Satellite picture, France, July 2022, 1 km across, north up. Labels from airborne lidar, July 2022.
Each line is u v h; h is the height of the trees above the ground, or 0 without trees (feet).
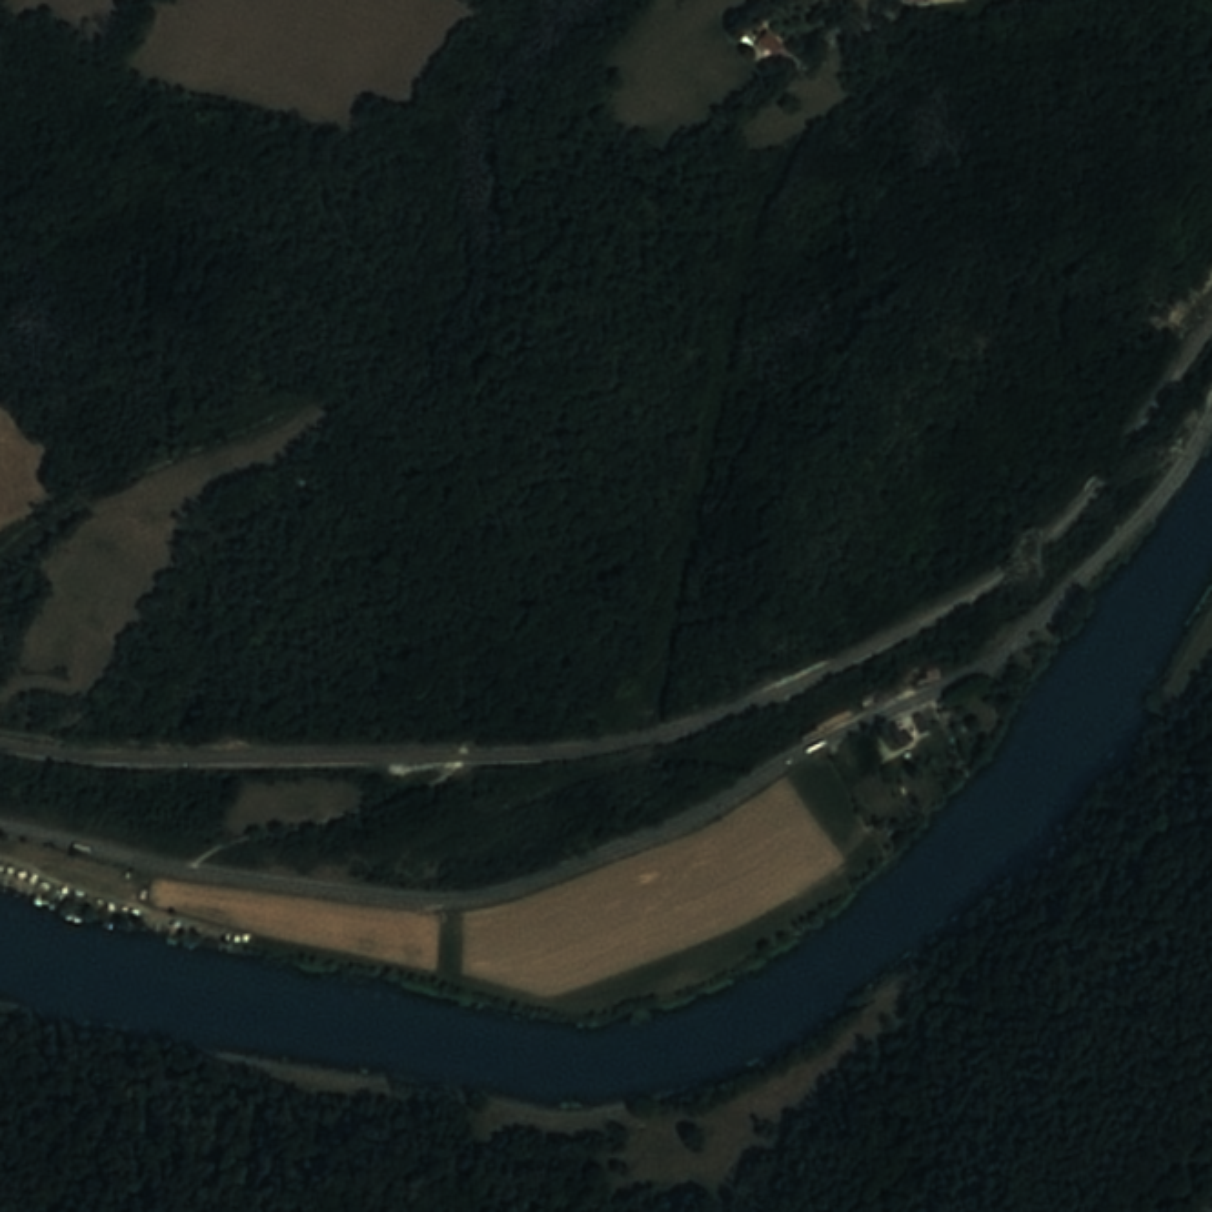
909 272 55
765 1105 0
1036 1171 78
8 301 49
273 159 66
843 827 0
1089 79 46
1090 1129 65
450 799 35
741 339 66
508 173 52
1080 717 0
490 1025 0
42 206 52
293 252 45
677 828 0
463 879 38
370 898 0
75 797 27
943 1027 69
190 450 40
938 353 28
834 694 57
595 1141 55
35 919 0
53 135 61
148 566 0
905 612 48
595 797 52
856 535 47
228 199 76
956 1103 76
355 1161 105
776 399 34
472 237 83
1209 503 0
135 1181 85
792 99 55
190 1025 0
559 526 45
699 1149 42
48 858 0
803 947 0
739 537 48
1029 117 61
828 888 0
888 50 37
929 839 0
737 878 0
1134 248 62
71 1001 0
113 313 36
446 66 45
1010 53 90
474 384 60
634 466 47
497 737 55
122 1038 47
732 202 54
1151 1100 65
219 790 45
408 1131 69
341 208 41
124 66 49
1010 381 81
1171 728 72
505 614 62
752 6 47
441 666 62
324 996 0
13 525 0
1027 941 102
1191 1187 72
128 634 30
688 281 51
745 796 0
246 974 0
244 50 0
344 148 57
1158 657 0
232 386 52
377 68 0
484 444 53
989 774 0
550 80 60
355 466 52
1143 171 64
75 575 0
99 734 31
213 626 52
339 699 59
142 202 35
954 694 46
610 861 0
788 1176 66
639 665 56
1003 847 0
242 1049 0
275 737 49
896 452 38
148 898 0
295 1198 105
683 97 0
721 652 56
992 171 78
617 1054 0
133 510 0
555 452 54
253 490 70
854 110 48
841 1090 37
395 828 45
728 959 0
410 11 0
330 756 0
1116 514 74
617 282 49
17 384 63
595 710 56
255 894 0
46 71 62
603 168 72
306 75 0
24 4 0
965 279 56
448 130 69
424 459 59
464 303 82
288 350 55
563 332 41
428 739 34
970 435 85
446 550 60
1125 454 93
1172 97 43
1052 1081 74
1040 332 85
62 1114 84
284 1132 102
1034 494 92
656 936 0
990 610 57
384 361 51
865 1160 75
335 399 46
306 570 53
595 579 21
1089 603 90
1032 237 79
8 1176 71
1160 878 95
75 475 28
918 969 59
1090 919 97
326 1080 0
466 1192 88
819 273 28
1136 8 69
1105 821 91
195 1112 70
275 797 0
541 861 46
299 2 0
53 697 28
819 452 60
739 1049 0
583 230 51
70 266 51
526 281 62
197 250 66
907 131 64
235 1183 109
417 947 0
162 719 52
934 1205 72
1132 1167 64
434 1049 0
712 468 22
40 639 0
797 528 41
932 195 70
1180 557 0
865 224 68
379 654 54
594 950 0
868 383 50
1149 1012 65
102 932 0
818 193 49
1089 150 66
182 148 64
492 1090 0
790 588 50
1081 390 89
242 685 42
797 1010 0
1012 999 72
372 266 44
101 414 24
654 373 50
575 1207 80
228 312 73
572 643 60
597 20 57
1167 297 42
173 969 0
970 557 56
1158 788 101
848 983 0
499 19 46
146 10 49
